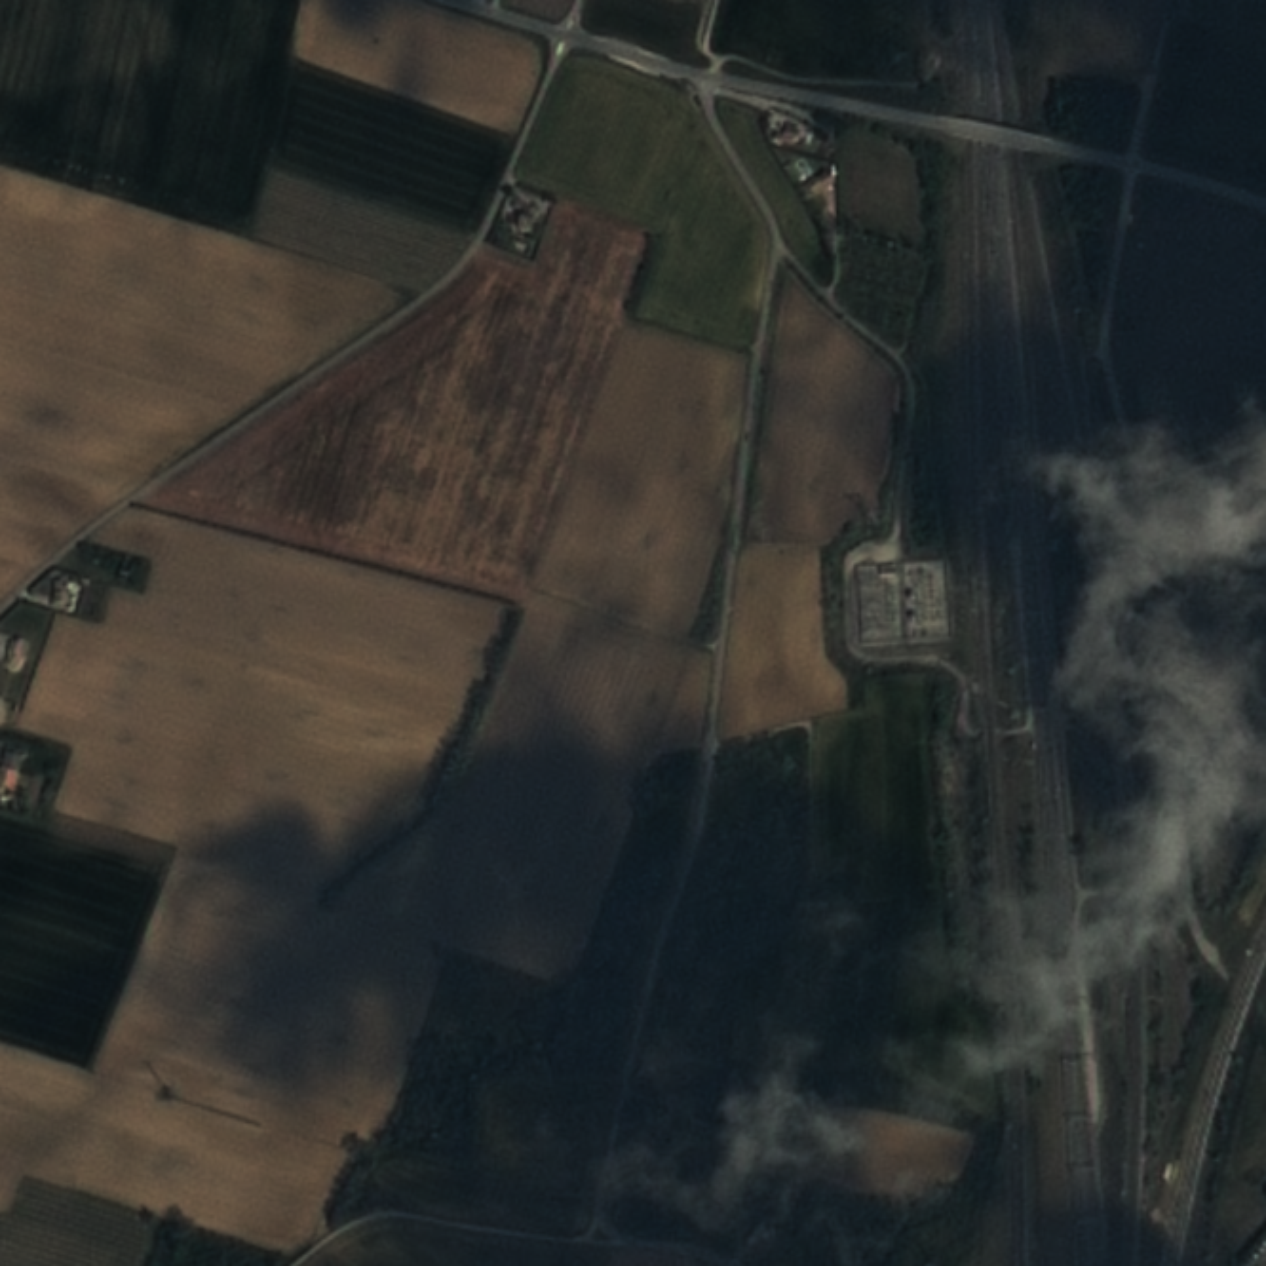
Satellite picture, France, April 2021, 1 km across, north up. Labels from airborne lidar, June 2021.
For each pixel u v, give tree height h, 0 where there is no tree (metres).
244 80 0
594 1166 0
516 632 9
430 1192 0
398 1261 0
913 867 0
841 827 0
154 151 0
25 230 0
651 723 0
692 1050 0
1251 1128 0
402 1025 0
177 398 0
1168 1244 0
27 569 0
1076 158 0
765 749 10
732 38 0
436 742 0
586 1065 14
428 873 0
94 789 0
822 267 0
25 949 0
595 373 0
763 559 0
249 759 0
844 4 0
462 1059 12
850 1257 11
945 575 0
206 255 0
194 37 0
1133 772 0
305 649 0
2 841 0
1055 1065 0
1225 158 0
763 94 0
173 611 0
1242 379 0
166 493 0
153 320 0
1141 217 0
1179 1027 0
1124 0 0
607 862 0
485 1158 0
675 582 0
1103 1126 0
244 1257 5
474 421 0
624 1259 0
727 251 0
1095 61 0
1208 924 0
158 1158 0
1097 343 0
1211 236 0
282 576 0
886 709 0
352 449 0
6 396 0
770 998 0
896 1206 8
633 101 0
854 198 0
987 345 0
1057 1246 0
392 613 0
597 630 0
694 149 0
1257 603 0
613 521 0
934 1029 0
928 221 13
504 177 0
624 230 0
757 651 0
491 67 0
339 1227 9
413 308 0
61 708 0
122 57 0
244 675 0
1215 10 0
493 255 0
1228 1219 0
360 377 0
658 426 0
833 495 0
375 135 0
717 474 0
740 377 0
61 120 0
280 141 0
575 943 0
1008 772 0
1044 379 0
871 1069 10
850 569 0
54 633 0
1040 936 12
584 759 0
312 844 0
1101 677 0
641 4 0
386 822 0
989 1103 0
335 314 0
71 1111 0
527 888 0
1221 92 0
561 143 0
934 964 0
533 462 0
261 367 0
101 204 0
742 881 15
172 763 0
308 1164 0
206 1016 0
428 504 0
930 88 8
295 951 0
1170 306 0
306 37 0
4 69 0
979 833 10
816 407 0
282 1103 0
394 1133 10
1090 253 8
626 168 0
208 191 0
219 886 0
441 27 0
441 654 0
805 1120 0
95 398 0
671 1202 13
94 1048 0
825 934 0
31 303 0
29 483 0
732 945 8
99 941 0
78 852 0
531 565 0
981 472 0
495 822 0
